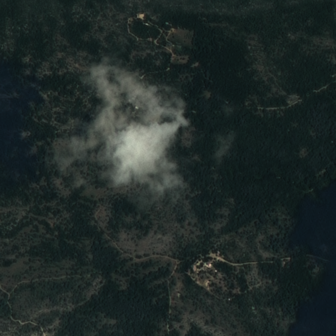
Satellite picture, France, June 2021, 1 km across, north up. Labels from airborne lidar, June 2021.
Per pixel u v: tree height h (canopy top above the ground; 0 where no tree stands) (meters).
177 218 6
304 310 7
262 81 8
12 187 7
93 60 12
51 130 10
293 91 10
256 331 16
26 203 6
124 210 12
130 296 9
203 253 8
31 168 8
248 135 12
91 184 9
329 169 15
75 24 7
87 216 6
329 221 6
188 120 13
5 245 8
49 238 7
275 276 10
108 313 11
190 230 7
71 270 7
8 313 7
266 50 7
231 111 11
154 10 8
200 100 17
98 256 9
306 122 12
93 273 6
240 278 10
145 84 7
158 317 11
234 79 11
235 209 8
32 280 6
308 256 7
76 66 0
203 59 17
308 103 9
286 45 7
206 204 7
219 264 8
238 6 8
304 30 10
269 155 8
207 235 10
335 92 11
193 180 12
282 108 7
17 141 9
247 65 8
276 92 6
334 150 13
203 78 13
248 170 15
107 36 7
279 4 8
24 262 7
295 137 13
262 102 9
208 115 16
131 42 8
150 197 7
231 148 18
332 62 9
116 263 15
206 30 12
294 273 13
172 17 8
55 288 10
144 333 8
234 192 12
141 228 9
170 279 10
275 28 10
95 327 10
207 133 10
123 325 12
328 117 7
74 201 9
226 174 7
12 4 9
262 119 11
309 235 9
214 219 8
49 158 8
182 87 11
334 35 8
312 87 9
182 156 10
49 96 8
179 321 10
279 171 10
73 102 8
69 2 9
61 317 7
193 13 7
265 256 0
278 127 10
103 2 6
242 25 6
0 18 9
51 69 6
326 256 6
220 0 8
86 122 9
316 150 10
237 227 8
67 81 9
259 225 15
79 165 11
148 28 8
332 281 7
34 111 7
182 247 8
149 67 9
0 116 8
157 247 0
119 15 0
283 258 6
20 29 6
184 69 8
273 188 13
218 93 12
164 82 9
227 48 13
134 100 9
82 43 8
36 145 6
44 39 6
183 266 6
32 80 7
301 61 7
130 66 9
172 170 9
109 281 11
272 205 12
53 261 6
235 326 9
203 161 14
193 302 6
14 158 12
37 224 7
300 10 8
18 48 8
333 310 15
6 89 9
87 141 7
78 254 10
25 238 6
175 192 11
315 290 12
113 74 7
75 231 12
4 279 0
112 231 6
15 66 13
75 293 7
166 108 6
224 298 6
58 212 9
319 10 12
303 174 14
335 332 6
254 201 15
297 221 12
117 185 0
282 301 12
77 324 12
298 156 8
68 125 7
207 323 8
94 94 6
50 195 7
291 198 11
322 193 9
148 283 6
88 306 10
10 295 6
